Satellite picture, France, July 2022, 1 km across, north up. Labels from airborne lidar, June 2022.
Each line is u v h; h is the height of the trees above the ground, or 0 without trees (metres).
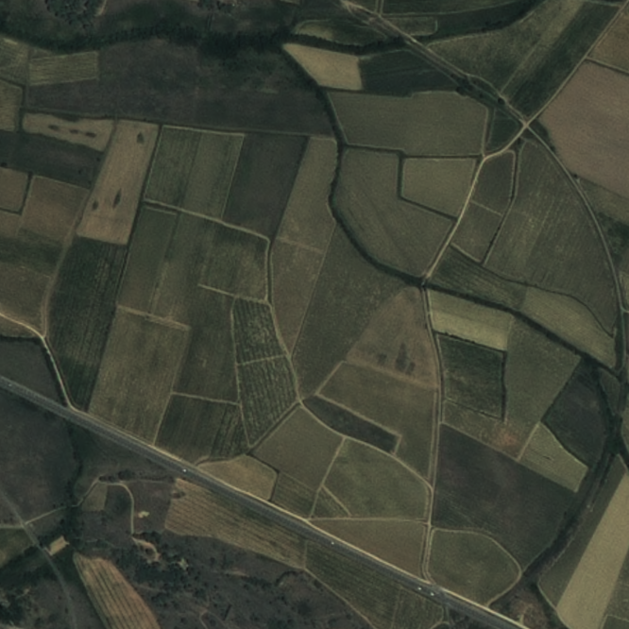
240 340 0
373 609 0
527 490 0
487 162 0
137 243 0
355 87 0
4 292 0
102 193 0
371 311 0
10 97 0
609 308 0
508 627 0
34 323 0
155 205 0
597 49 0
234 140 0
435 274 0
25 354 0
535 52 0
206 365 0
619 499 0
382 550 0
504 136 0
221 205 0
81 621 0
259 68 7
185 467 0
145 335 0
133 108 0
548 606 0
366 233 0
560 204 0
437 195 0
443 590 0
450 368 0
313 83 11
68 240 0
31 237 0
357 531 0
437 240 0
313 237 0
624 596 0
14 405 0
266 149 0
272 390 0
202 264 0
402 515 0
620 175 0
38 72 0
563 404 0
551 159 0
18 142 0
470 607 0
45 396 0
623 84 0
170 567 9
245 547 0
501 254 0
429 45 0
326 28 0
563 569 0
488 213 0
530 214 0
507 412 0
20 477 0
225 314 0
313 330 0
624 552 0
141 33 13
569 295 0
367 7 0
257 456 0
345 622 0
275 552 0
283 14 0
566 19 0
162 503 0
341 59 0
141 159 0
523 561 0
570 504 0
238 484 0
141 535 6
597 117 0
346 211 0
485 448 0
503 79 0
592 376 6
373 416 0
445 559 0
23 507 0
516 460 0
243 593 0
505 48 0
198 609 0
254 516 0
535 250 0
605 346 0
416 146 0
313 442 0
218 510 0
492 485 0
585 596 0
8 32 7
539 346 0
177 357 0
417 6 0
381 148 0
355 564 0
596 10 0
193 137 0
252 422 0
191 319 0
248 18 0
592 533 0
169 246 0
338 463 0
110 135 0
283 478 0
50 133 0
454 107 0
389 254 0
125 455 0
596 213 0
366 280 0
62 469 0
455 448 0
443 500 0
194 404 0
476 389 0
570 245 0
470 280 0
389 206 0
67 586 0
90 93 0
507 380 0
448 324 0
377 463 0
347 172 0
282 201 0
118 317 0
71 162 0
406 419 0
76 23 13
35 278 0
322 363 0
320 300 0
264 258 0
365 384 0
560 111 0
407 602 0
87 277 0
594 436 0
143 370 0
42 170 0
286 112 0
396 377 0
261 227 0
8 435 0
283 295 0
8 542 0
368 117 0
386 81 0
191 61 0
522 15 8
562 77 0
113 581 0
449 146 0
